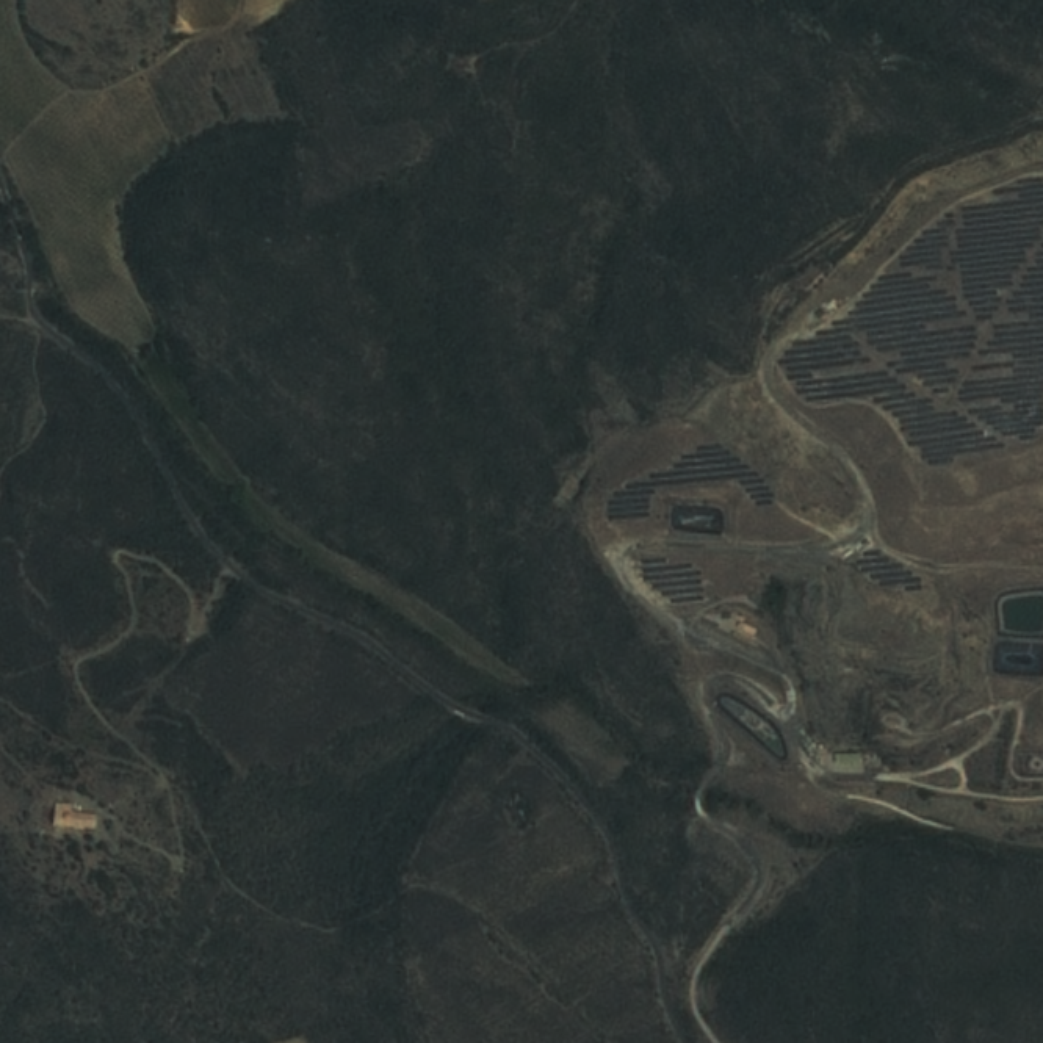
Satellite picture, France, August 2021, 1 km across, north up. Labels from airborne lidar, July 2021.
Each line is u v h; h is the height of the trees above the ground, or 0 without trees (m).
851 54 0
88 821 0
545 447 0
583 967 0
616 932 0
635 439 0
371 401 0
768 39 0
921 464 0
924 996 0
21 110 0
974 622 0
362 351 0
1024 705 0
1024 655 0
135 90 0
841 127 0
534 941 0
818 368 0
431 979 0
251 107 0
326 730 0
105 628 0
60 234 0
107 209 0
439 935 0
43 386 0
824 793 0
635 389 0
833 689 0
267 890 6
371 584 0
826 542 0
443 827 0
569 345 0
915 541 0
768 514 0
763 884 0
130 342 0
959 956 0
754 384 0
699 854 0
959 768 0
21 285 7
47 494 0
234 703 0
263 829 5
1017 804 0
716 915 0
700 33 0
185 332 0
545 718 0
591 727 0
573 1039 0
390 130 0
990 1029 0
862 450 0
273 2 0
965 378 0
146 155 0
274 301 0
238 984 8
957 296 0
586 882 0
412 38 0
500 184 0
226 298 0
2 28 0
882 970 0
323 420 0
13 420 0
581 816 0
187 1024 7
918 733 0
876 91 0
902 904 0
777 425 0
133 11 0
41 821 0
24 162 0
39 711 0
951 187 0
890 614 0
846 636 0
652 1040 0
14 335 0
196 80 0
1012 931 0
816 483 0
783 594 7
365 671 0
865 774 0
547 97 0
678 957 0
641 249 0
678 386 0
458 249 0
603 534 0
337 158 0
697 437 0
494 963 0
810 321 0
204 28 0
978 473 0
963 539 0
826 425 0
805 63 0
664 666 0
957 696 0
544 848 0
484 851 0
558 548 0
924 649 0
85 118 0
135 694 0
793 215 0
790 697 0
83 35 0
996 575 0
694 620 0
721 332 0
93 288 0
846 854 0
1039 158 0
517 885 0
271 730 0
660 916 0
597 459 0
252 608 0
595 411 0
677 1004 0
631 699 0
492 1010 0
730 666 0
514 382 0
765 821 0
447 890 0
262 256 0
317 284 0
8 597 0
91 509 0
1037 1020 0
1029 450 0
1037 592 0
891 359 0
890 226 0
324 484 0
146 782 0
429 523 0
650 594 0
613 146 0
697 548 0
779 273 0
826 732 0
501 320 0
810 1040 0
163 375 0
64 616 0
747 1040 0
